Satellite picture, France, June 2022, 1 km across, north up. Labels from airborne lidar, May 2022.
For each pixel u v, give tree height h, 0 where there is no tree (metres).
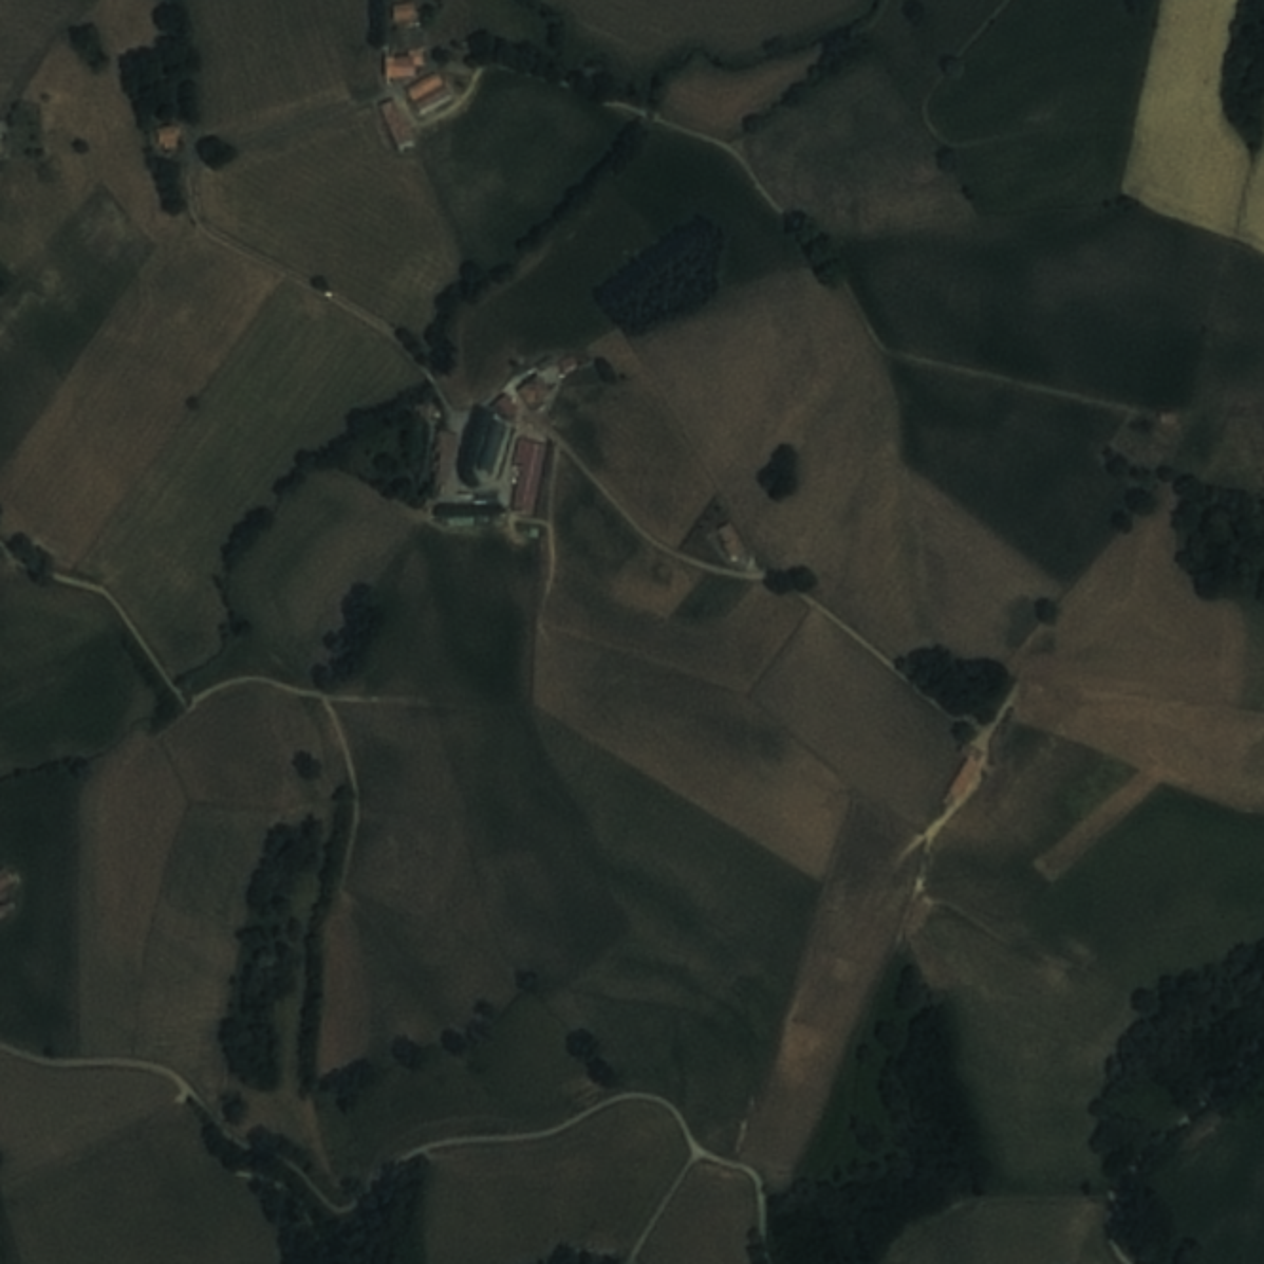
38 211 0
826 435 0
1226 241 0
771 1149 0
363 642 21
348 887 0
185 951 0
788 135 0
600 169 12
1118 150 0
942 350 0
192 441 0
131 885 0
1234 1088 23
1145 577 0
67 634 0
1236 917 0
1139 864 0
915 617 0
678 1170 0
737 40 0
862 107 0
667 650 0
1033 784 0
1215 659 0
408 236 0
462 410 0
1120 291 0
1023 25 0
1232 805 0
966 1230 0
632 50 0
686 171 0
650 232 0
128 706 0
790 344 0
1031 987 0
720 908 0
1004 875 0
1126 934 0
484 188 0
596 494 0
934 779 0
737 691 0
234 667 0
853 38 22
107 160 0
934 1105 6
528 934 0
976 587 0
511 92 0
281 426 0
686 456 0
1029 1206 0
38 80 0
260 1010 17
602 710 0
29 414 0
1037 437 0
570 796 0
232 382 0
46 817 0
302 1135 0
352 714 0
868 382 0
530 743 0
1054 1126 0
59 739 0
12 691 0
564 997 0
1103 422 0
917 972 13
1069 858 0
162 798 0
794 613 0
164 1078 0
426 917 0
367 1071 19
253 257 0
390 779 0
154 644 0
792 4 0
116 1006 0
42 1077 0
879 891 0
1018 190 0
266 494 0
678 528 0
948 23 0
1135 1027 8
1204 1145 0
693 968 0
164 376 0
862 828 0
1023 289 0
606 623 0
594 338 0
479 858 0
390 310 0
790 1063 0
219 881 0
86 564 0
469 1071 0
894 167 0
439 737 0
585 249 0
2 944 0
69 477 0
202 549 0
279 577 0
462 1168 0
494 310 0
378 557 0
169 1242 0
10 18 0
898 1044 17
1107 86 0
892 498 0
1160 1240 27
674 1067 0
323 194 0
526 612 0
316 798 0
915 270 0
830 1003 0
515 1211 0
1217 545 12
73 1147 0
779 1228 5
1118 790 0
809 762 0
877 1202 22
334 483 0
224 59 0
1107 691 0
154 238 0
